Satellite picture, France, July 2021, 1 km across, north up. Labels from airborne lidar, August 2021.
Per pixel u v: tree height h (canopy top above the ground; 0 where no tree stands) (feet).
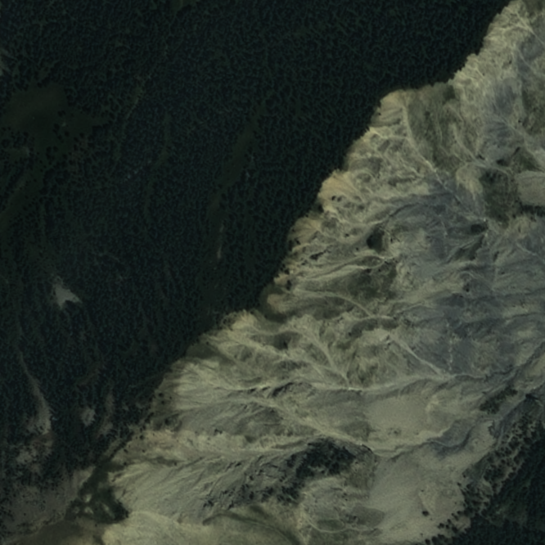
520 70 0
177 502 0
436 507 0
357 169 0
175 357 22
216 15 48
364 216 0
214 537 0
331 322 0
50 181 52
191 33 43
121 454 0
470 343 0
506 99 0
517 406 0
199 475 0
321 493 0
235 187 40
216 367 0
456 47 53
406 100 0
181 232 54
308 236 0
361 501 0
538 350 0
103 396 25
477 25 46
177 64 29
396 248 0
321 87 65
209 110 76
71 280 38
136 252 34
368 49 48
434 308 0
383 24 92
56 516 0
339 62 73
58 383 21
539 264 0
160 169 27
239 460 0
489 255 0
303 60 37
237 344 0
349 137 29
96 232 65
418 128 0
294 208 61
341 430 0
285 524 0
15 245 31
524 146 0
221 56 0
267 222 72
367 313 0
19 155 0
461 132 0
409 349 0
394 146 0
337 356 0
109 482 0
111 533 0
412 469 0
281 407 0
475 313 0
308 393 0
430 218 0
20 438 42
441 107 0
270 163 44
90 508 0
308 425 0
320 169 28
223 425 0
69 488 0
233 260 64
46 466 24
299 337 0
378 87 65
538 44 0
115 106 48
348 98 70
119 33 79
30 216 30
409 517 0
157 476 0
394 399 0
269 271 47
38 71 53
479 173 0
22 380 55
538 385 0
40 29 27
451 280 0
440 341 0
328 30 36
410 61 66
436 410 0
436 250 0
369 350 0
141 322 57
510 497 43
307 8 60
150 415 23
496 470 24
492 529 62
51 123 0
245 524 0
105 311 63
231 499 0
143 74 44
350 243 0
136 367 42
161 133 56
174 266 67
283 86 37
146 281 23
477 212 0
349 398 0
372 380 0
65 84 58
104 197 40
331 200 0
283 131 34
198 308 52
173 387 0
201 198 49
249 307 24
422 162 0
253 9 63
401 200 0
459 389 0
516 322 0
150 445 0
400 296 0
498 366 0
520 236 0
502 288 0
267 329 0
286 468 0
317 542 0
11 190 45
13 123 0
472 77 0
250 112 56
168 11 85
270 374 0
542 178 0
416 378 0
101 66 76
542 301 0
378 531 0
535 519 20
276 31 54
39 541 0
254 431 0
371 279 0
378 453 0
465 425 0
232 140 43
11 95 61
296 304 0
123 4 87
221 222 0
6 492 30
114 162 92
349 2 70
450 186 0
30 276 66
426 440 0
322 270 0
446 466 0
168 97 34
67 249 76
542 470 67
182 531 0
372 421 0
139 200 59
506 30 0
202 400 0
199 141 67
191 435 0
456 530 58
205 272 28
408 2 74
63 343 58
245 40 36
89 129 0
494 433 0
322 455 30
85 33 70
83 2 59
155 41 59
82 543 0
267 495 22
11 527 0
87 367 53
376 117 0
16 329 19
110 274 67
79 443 23
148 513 0
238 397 0
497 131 0
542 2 0
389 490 0
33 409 64
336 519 0
